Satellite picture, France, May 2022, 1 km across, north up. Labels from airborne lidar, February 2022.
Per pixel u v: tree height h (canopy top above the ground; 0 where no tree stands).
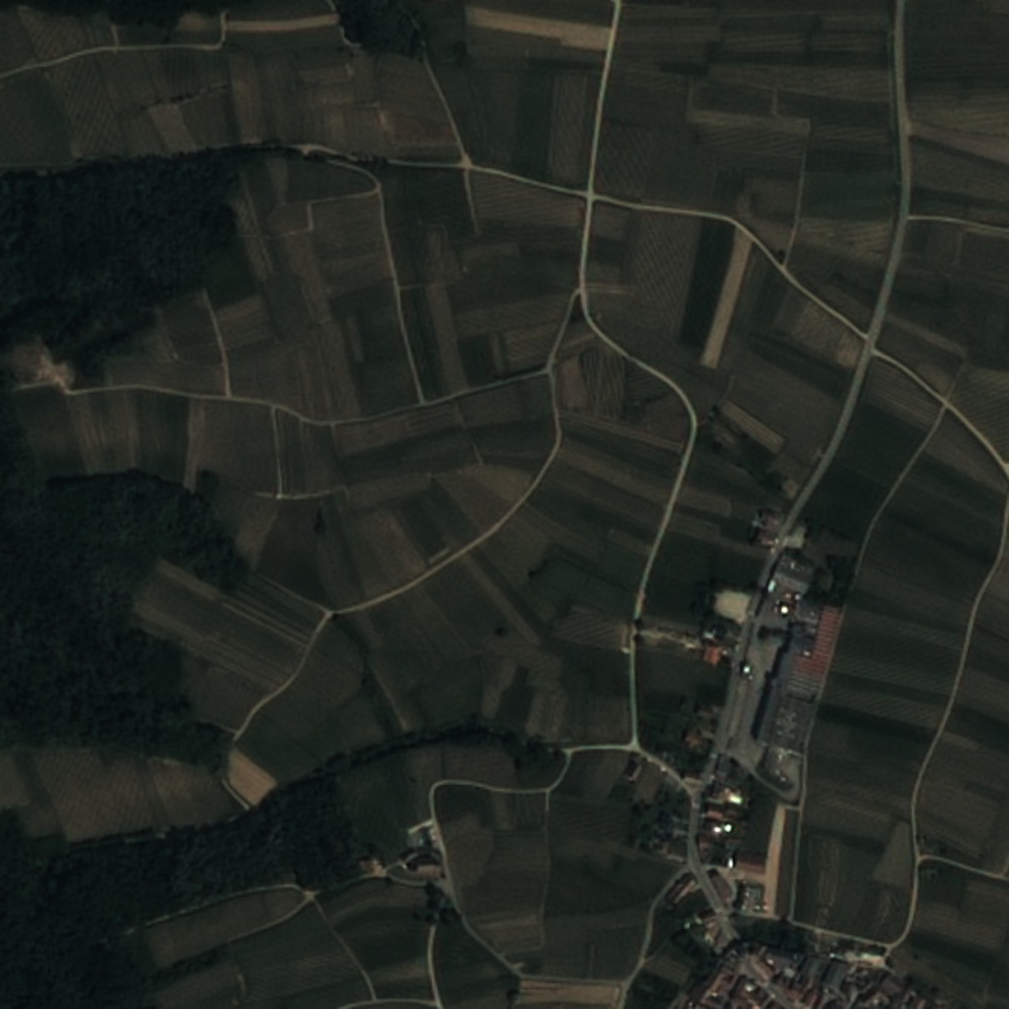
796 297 0
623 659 0
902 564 0
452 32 0
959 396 0
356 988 0
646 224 0
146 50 0
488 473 0
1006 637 0
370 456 0
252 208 0
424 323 0
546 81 0
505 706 0
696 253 0
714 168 0
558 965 0
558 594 0
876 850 0
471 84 0
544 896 0
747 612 0
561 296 0
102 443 0
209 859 22
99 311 20
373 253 0
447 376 0
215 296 0
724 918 0
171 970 0
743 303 0
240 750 0
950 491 0
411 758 0
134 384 0
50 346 17
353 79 0
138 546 14
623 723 0
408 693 0
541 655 0
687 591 0
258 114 0
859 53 0
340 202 0
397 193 0
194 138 0
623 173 0
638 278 0
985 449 0
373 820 0
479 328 0
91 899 17
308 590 0
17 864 13
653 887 0
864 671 0
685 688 0
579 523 0
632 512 0
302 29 0
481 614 0
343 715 0
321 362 0
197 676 0
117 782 0
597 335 0
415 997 0
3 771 0
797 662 0
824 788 0
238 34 0
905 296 0
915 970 0
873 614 0
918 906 0
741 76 0
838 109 0
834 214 0
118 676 24
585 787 0
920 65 0
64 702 23
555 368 0
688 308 0
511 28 0
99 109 0
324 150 0
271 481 0
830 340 0
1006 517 0
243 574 15
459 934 0
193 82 0
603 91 0
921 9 0
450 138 0
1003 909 0
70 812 0
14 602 21
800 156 0
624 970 0
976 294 0
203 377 0
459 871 0
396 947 0
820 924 0
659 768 0
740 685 0
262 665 0
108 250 21
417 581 0
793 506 0
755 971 0
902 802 0
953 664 0
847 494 0
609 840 0
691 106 0
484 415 0
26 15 0
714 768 0
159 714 28
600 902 0
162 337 0
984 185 0
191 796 0
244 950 0
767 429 0
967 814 0
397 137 0
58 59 0
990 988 0
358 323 0
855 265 0
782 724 0
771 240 0
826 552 0
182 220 15
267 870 15
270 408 0
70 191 23
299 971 0
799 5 0
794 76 0
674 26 0
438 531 0
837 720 0
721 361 0
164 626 0
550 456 0
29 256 26
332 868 16
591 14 0
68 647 20
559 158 0
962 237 0
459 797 0
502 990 0
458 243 0
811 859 0
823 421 0
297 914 0
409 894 0
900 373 0
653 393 0
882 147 0
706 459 0
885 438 0
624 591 0
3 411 14
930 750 0
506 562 0
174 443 0
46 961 23
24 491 26
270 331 0
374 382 0
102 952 18
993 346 0
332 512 0
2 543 16
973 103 0
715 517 0
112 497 18
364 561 0
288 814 16
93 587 19
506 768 0
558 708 0
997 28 0
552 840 0
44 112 0
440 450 0
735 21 0
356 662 0
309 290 0
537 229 0
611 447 0
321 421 0
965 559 0
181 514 17
